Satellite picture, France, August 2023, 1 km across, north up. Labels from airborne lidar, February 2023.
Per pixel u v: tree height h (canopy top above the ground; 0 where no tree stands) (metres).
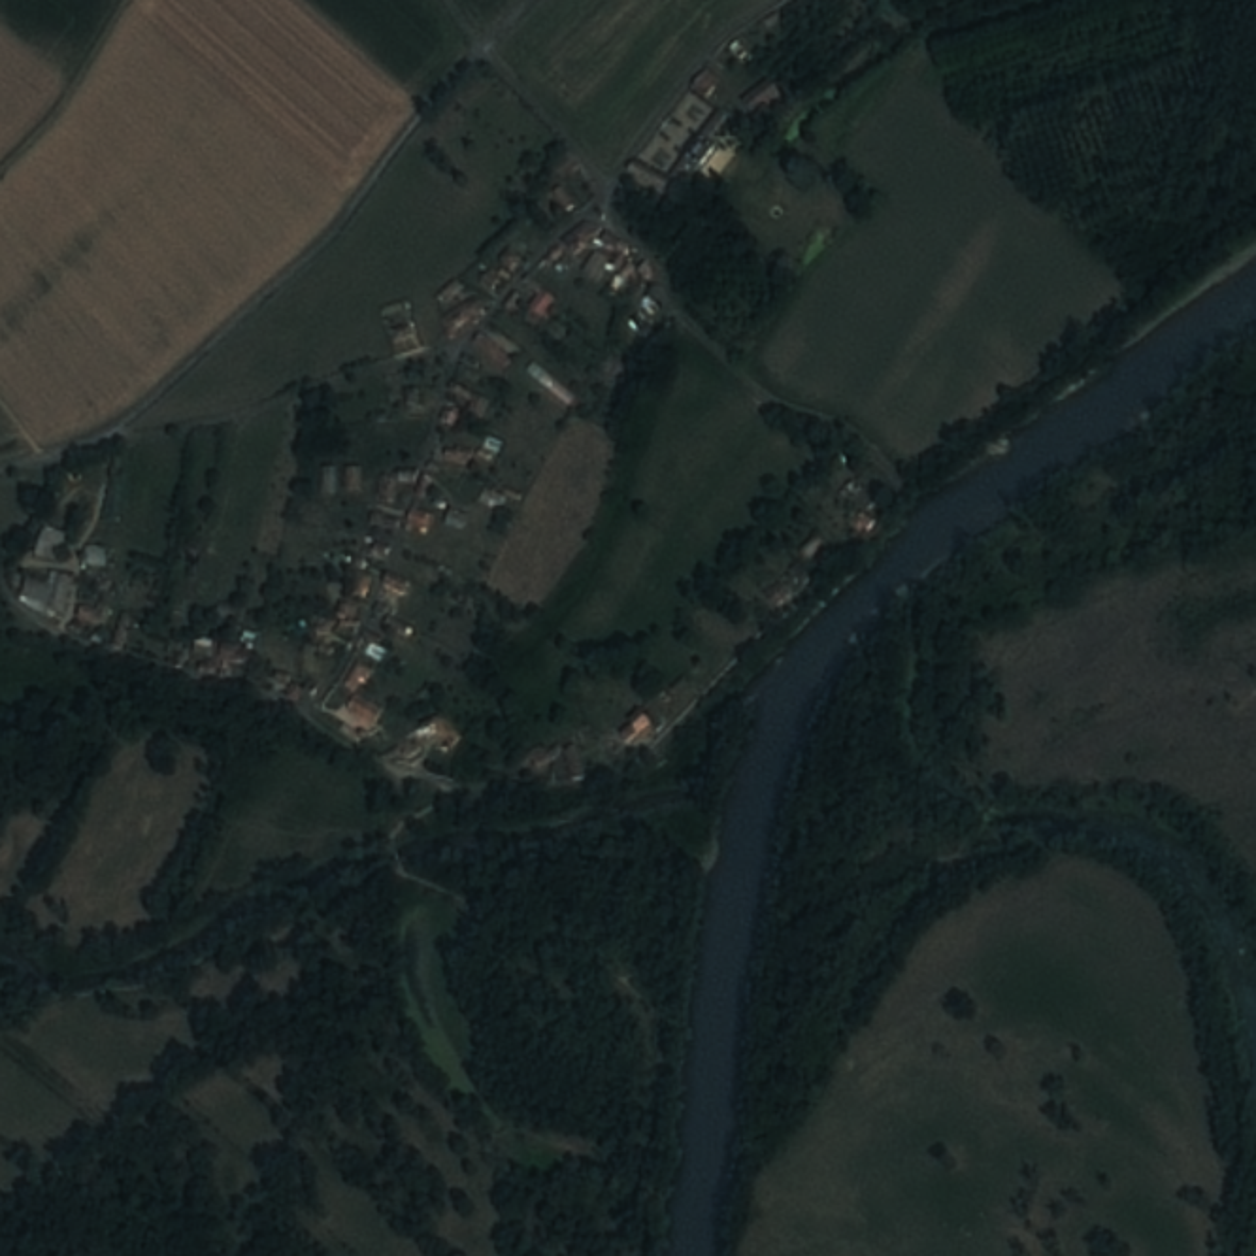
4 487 0
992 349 0
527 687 0
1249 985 0
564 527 0
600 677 24
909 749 12
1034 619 0
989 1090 0
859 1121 0
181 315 0
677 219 16
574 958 23
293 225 0
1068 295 0
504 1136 0
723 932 0
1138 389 0
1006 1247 0
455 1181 0
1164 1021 0
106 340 0
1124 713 0
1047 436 0
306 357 0
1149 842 0
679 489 0
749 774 0
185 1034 0
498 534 10
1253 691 0
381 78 0
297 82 0
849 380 0
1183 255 8
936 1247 0
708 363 0
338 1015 8
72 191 0
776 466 0
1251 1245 11
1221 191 6
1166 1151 0
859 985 13
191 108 0
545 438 0
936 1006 0
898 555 0
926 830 21
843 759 19
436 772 7
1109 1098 0
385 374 0
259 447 0
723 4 0
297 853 0
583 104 0
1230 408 9
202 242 0
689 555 0
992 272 0
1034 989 0
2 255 0
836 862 8
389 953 11
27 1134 0
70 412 0
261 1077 0
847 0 9
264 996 32
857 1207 0
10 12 0
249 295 0
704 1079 0
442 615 0
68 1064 0
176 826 0
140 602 0
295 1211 24
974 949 0
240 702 18
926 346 0
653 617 0
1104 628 0
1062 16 16
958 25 7
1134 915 0
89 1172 32
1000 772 0
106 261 0
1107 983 0
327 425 20
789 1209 0
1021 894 0
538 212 25
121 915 0
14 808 7
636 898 25
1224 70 24
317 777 0
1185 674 0
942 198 0
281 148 0
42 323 0
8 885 0
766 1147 12
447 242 0
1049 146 34
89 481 0
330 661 0
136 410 0
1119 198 6
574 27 0
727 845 0
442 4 0
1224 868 21
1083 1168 0
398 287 0
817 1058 13
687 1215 0
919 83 0
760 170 0
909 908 8
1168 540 22
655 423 0
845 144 0
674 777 0
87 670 15
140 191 0
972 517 0
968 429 11
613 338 7
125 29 0
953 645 19
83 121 0
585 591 0
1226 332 0
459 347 0
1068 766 0
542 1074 29
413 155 0
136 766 0
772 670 0
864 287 0
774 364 0
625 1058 27
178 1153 20
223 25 0
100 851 0
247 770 0
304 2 0
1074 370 18
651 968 23
